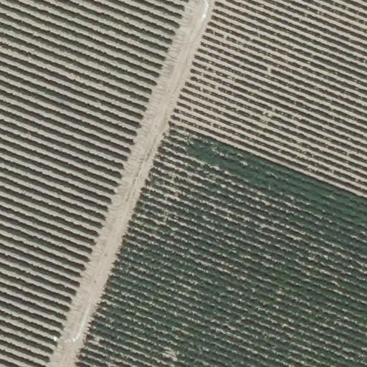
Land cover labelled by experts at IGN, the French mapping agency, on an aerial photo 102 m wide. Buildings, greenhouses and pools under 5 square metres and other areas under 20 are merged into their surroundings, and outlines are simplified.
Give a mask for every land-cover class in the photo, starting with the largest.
<instances>
[{"label":"vineyard","instance_id":"1","mask_svg":"<svg viewBox=\"0 0 367 367\"><path fill-rule=\"evenodd\" d=\"M188 0H0V367H47L49 358L56 350L57 338L63 333L66 315L72 307V298L79 288L80 274L85 271V265L89 262L92 249L95 247L96 237L105 224V215L112 202L110 198L115 194L113 191L122 178L120 172L128 161L153 86L158 82V69H162L159 63L165 60L169 44L178 32L183 9ZM158 155L155 156L148 179L140 189L138 202L130 216L128 231L123 235L118 257L113 262L112 274L109 275L102 298L95 313L92 314L93 320L90 321L89 331L83 338V347L79 350L75 367H367V0H216L211 19L206 24L204 36L192 62L191 77L183 85L178 103L169 120V130L162 135Z\"/></svg>","mask_w":367,"mask_h":367},{"label":"pervious surface","instance_id":"2","mask_svg":"<svg viewBox=\"0 0 367 367\"><path fill-rule=\"evenodd\" d=\"M216 0H188L183 9L178 32L169 44L165 60L159 63L162 69H158V82L153 86L128 161L120 172L122 178L113 191L115 194L110 198L112 202L105 215V224L96 237L95 247L92 249L89 262L85 265V271L80 274L79 288L72 298V307L66 315L63 333L57 338L56 350L49 358L47 367H75L79 350L83 347V338L89 331L90 321L93 320L92 314L95 313L102 298L109 275L112 274L113 262L118 257L123 235L128 231L130 216L138 202L140 189L148 179L155 156L158 155L162 135L169 130V120L178 103L183 85L191 77L192 62L204 36L206 24L211 19Z\"/></svg>","mask_w":367,"mask_h":367}]
</instances>
